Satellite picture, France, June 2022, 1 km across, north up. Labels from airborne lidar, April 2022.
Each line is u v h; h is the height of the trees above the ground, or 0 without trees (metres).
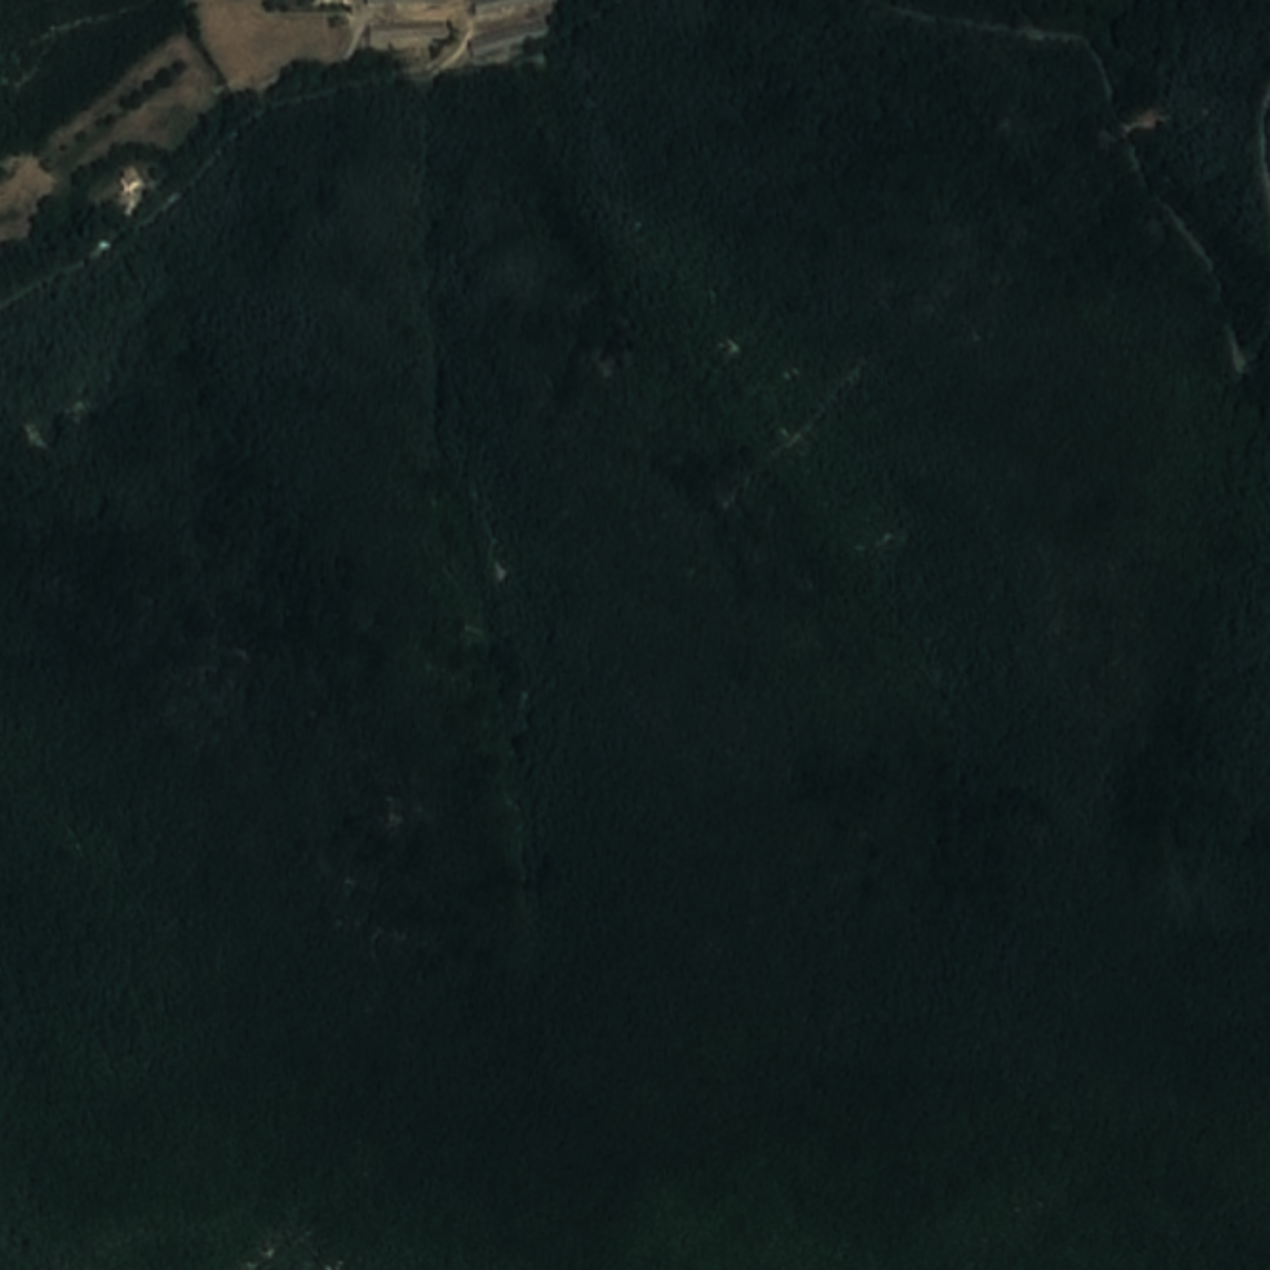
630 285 9
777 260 6
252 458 8
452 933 8
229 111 13
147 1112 7
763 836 7
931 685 6
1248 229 10
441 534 7
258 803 6
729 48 11
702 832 7
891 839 9
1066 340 7
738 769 8
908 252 7
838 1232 10
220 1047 7
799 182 7
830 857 7
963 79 8
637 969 8
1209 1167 8
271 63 0
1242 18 9
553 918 9
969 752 7
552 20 9
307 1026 8
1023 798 14
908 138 9
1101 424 6
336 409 6
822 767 9
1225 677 7
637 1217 7
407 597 7
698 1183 8
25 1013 9
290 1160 7
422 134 10
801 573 8
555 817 9
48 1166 7
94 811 8
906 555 7
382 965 6
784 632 6
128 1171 8
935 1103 9
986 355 6
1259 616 9
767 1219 8
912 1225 9
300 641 10
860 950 8
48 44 7
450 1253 8
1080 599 6
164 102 0
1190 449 7
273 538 7
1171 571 8
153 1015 6
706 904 7
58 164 0
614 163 8
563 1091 8
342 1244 5
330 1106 7
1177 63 11
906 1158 10
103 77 14
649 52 8
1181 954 9
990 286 7
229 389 9
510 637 10
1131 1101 7
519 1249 5
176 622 7
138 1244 7
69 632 10
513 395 9
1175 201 16
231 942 7
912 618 11
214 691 6
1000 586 6
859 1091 10
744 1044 10
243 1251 6
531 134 9
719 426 9
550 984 9
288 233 10
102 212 13
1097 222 8
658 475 7
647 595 7
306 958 9
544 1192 9
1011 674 8
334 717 8
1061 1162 6
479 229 7
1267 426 8
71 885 8
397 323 8
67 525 10
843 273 7
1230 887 7
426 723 7
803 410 6
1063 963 10
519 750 12
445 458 9
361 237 6
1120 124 14
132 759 7
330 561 9
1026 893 9
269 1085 8
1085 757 9
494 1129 9
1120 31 20
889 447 7
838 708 7
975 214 10
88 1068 8
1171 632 8
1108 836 7
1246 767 7
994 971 9
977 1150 8
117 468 12
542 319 8
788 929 7
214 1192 6
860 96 9
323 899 8
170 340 10
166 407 8
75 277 7
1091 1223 8
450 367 8
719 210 8
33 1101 8
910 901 7
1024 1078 8
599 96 8
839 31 11
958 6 17
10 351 6
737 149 7
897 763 8
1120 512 5
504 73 14
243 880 6
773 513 6
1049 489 7
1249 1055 10
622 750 7
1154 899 7
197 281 7
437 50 6
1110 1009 9
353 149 7
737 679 7
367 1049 7
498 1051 11
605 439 7
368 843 9
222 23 0
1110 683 7
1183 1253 10
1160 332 8
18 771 8
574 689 6
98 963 7
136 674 9
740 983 8
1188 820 11
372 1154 7
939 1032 11
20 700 11
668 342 9
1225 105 8
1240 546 12
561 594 7
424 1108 7
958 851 8
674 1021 7
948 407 6
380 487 8
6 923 8
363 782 8
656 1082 8
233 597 8
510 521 8
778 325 8
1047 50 6
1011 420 7
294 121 5
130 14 9
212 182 6
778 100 10
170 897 8
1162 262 10
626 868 8
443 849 6
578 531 6
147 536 8
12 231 0
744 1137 9
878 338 6
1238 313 21
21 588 10
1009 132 6
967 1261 8
